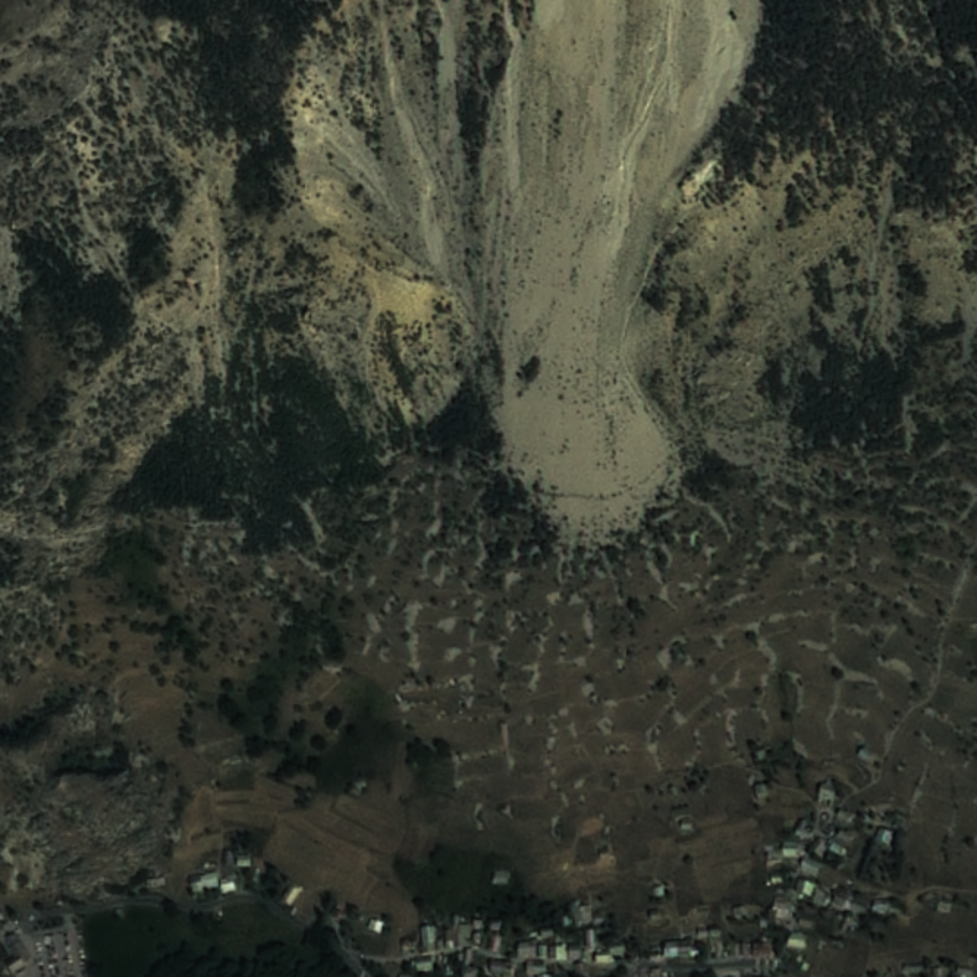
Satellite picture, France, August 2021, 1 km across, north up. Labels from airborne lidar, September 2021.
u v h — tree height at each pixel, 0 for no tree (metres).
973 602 0
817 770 0
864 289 6
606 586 0
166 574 0
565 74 0
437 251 0
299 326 8
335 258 0
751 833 0
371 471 10
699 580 0
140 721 0
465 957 0
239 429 7
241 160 6
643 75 0
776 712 0
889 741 0
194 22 11
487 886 0
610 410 0
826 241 0
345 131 0
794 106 10
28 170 6
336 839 0
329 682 0
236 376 8
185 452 10
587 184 0
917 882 0
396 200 0
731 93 0
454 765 0
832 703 0
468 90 6
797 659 0
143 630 10
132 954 0
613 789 0
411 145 0
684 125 0
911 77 12
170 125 8
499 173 0
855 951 0
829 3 13
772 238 0
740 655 0
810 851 8
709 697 0
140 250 9
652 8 0
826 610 0
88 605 0
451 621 0
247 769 0
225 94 6
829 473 9
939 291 0
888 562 0
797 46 10
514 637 0
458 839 0
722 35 0
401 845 0
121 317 12
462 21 0
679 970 0
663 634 0
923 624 0
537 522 8
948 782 0
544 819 0
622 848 0
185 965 9
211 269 0
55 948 0
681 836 0
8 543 10
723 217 0
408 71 0
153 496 9
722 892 0
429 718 0
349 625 0
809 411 6
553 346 0
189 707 8
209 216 0
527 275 0
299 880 0
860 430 9
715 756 0
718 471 9
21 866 0
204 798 0
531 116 0
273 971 11
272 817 0
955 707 0
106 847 0
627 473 0
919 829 0
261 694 6
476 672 0
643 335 0
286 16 9
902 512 5
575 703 0
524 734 0
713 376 0
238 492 8
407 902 0
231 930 0
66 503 6
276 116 8
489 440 7
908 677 0
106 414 7
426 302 0
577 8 0
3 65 12
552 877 0
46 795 0
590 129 0
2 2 0
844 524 6
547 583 0
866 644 0
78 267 6
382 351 6
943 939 0
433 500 0
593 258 0
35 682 0
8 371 12
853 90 8
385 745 0
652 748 0
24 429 0
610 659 0
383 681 0
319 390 7
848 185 8
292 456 14
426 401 0
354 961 0
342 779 0
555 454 0
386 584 0
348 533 9
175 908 15
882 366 9
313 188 0
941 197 10
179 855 0
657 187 0
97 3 6
